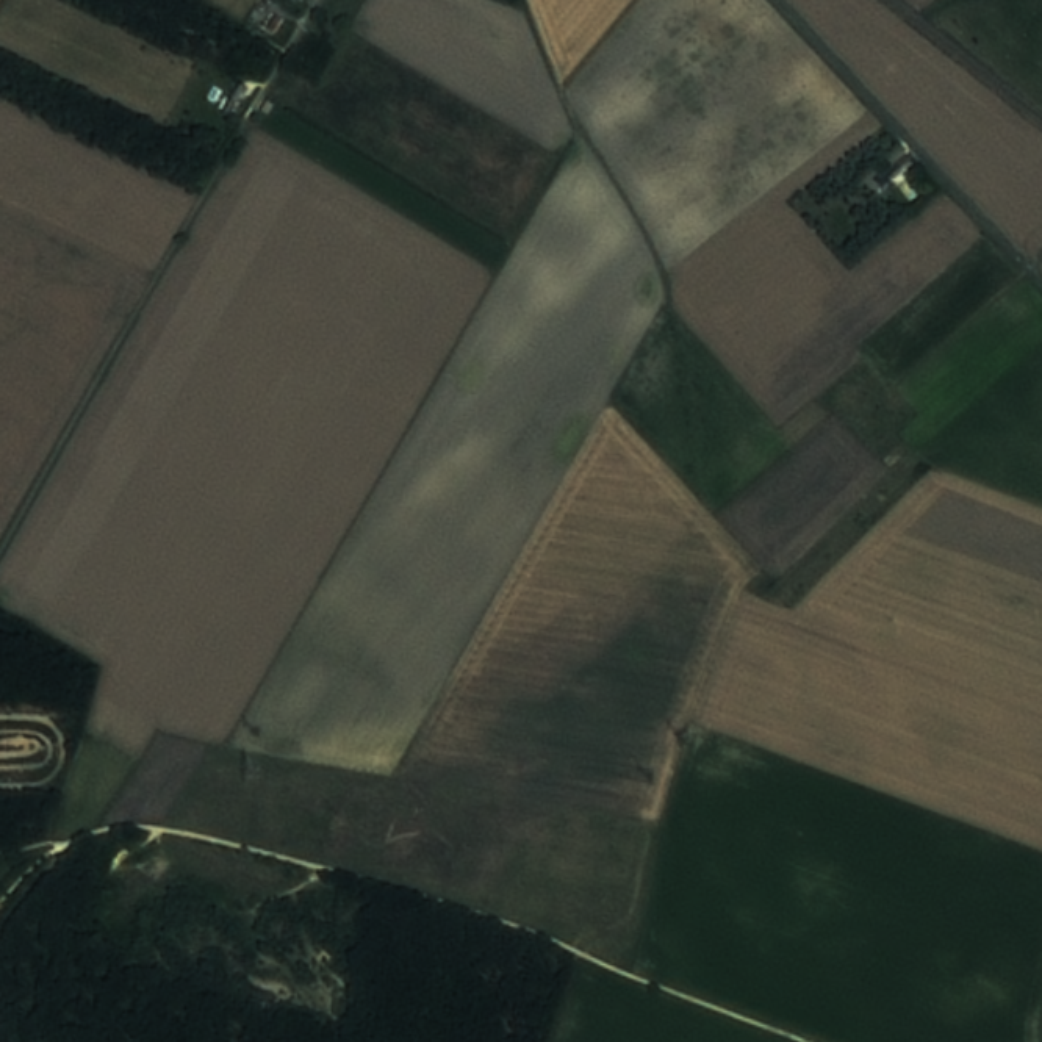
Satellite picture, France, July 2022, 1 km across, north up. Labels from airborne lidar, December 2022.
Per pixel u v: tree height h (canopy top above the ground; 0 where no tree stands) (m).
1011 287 0
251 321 0
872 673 0
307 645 0
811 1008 0
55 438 0
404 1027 20
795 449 0
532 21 0
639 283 0
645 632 0
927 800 0
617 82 0
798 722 0
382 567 0
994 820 0
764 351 0
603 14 0
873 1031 0
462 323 0
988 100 0
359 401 0
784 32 0
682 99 0
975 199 0
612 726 0
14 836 17
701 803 0
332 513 0
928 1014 0
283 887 0
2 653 18
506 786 0
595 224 0
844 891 0
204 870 0
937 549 0
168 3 22
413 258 0
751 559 0
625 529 0
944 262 0
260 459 0
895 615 0
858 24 0
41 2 0
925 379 0
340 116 0
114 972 16
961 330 0
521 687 0
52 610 0
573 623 0
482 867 0
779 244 0
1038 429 0
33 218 0
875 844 0
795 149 0
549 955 17
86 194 0
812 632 0
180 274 0
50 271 0
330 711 0
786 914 0
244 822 0
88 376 0
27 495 0
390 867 0
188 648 0
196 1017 19
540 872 0
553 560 0
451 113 0
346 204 0
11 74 13
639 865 0
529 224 0
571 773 0
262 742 0
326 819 0
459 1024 18
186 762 0
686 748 0
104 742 0
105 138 20
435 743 0
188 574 0
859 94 0
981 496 0
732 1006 0
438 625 0
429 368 0
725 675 0
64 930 17
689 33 0
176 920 11
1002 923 0
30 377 0
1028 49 0
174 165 19
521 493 0
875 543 0
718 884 0
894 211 18
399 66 0
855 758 0
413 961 21
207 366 0
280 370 0
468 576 0
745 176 0
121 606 0
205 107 0
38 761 0
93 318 0
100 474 0
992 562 0
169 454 0
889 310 0
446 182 0
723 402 0
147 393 0
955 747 0
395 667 0
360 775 0
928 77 0
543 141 0
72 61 0
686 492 0
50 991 16
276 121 0
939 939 0
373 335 0
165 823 0
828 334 0
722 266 0
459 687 0
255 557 0
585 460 0
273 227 0
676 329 0
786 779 0
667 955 0
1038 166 0
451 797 0
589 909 0
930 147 0
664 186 0
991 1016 0
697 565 0
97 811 0
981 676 0
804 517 0
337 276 0
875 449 0
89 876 16
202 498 0
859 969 0
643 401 0
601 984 0
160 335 0
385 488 0
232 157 12
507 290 0
